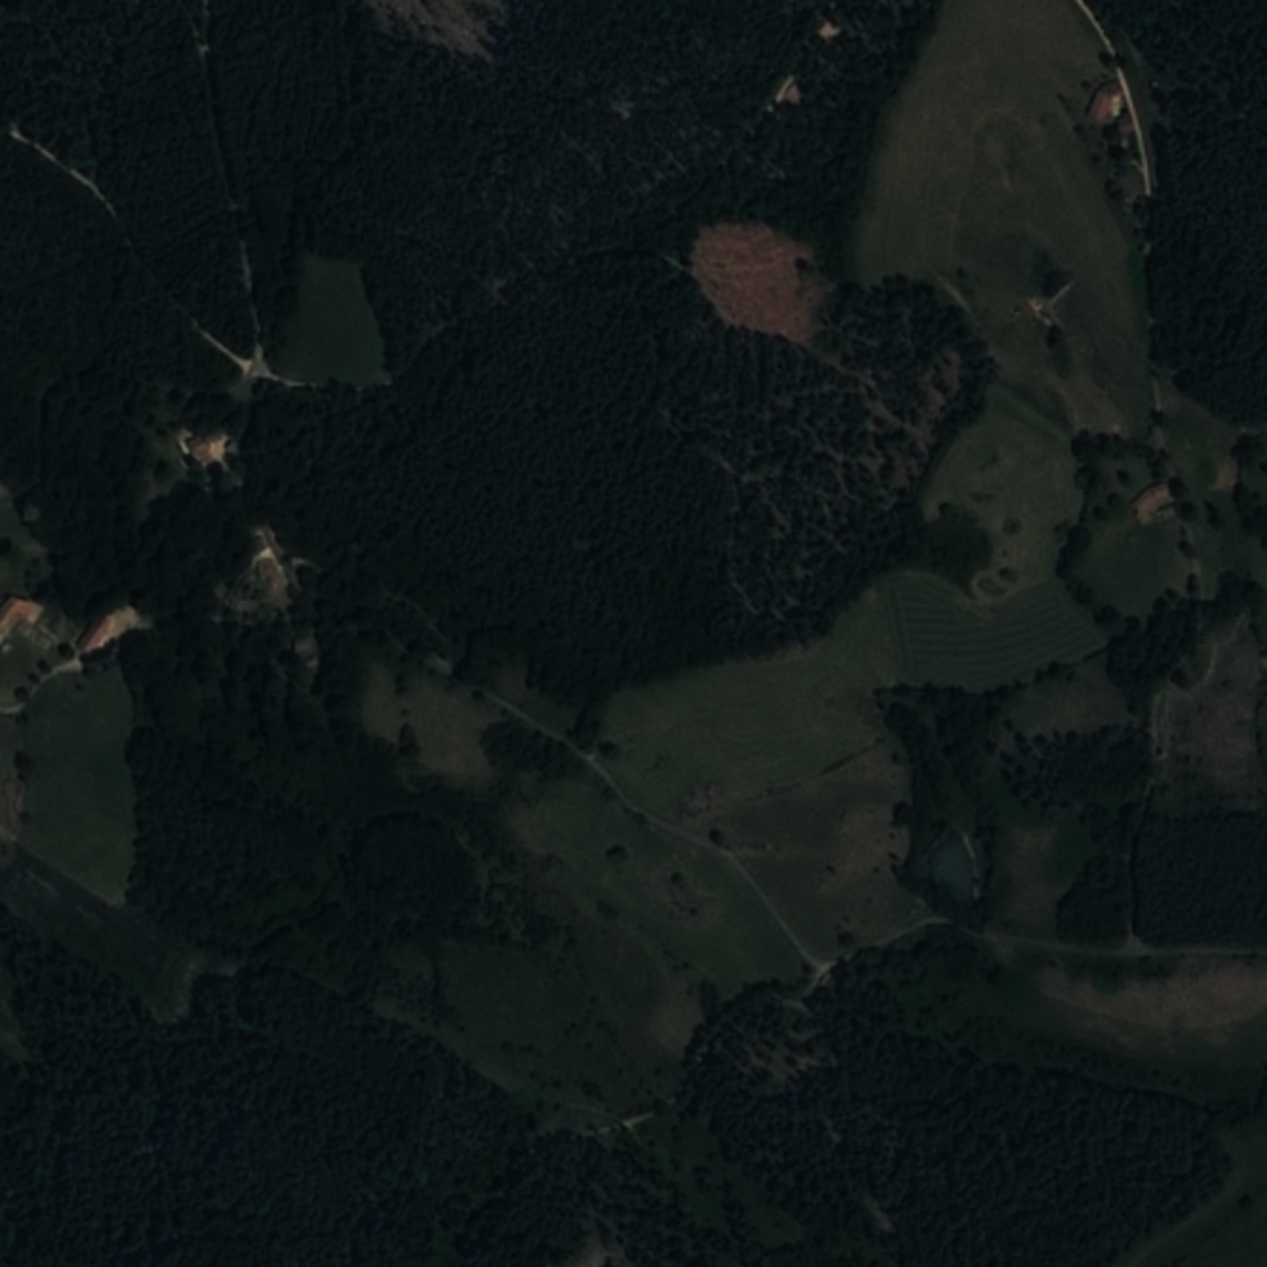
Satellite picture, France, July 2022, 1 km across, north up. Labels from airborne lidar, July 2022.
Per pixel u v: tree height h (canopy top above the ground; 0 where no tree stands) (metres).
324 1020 20
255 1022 25
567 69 25
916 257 0
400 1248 22
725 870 0
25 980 23
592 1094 11
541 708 0
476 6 9
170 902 16
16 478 20
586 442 27
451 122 17
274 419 12
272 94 21
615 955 0
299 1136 28
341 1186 25
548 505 26
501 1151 7
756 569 18
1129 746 11
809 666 0
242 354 15
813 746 0
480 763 0
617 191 20
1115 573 0
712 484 27
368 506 25
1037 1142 27
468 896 17
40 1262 33
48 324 19
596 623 27
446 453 29
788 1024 8
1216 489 0
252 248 14
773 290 0
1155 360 13
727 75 22
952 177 0
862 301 18
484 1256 22
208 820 21
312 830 18
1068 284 0
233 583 12
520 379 29
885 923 0
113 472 24
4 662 0
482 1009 0
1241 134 29
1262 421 21
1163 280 15
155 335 25
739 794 0
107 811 0
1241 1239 0
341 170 28
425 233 20
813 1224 18
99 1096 27
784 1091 7
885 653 0
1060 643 0
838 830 0
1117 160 17
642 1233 16
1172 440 0
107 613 13
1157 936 14
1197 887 16
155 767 19
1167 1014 0
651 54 20
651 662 17
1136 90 0
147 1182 23
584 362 32
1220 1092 0
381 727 0
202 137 21
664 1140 0
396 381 9
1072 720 0
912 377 24
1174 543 0
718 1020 13
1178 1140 32
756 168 16
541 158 25
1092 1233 31
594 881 0
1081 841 0
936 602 0
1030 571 0
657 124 15
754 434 18
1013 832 0
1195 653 13
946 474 0
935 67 0
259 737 14
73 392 21
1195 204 30
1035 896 0
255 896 19
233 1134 37
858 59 20
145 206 22
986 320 0
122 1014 22
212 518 21
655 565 12
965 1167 35
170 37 17
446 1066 19
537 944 6
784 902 0
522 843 0
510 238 17
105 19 22
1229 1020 0
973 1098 26
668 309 25
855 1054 25
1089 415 0
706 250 0
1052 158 0
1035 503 0
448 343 10
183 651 17
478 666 12
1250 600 25
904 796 0
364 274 11
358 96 25
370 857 29
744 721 0
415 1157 31
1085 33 0
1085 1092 30
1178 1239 0
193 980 0
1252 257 31
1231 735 0
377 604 20
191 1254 21
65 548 23
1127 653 16
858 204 11
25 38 15
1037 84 0
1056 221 0
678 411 15
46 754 0
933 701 23
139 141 21
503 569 14
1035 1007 0
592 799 0
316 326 0
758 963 0
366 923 17
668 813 0
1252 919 13
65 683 0
